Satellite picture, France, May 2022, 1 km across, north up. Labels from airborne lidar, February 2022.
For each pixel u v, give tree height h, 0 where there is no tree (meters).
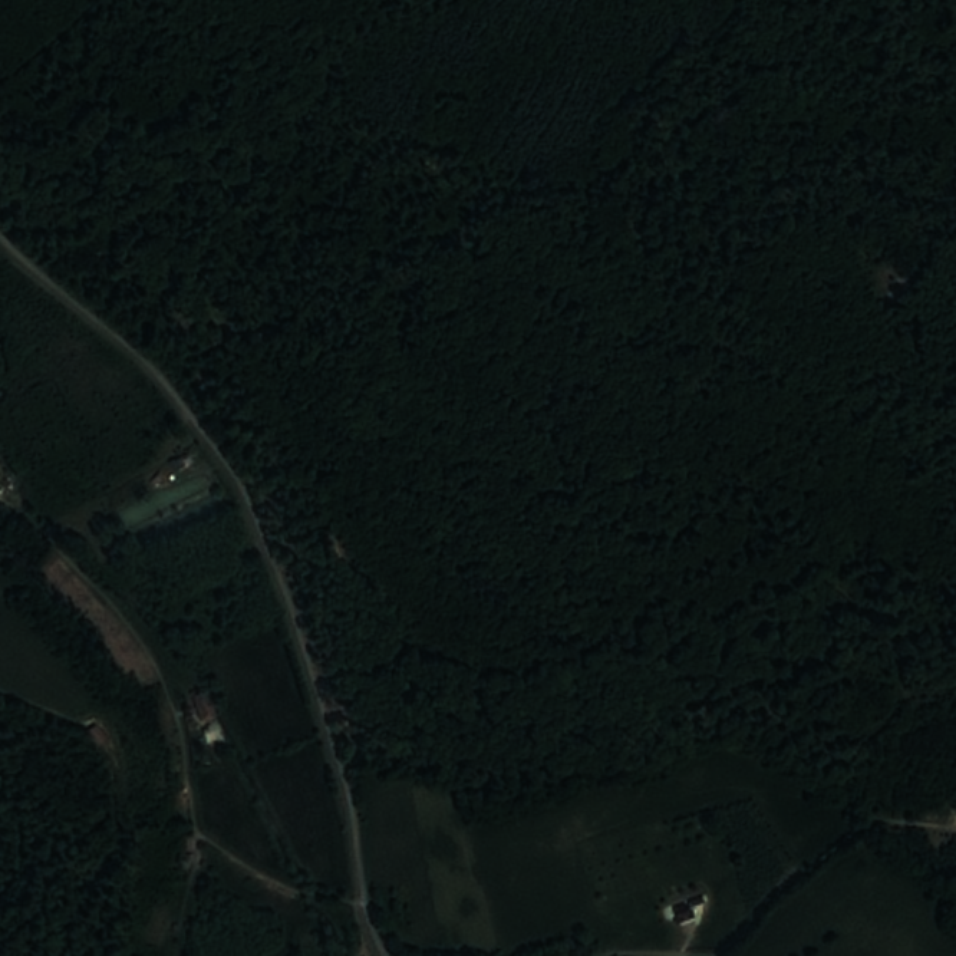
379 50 8
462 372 25
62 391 0
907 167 30
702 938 0
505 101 11
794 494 19
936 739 13
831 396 20
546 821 0
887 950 0
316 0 23
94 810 16
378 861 0
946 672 35
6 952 16
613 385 30
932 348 25
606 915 0
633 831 0
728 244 31
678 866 0
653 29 9
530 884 0
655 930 0
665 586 24
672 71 23
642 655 37
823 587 37
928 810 8
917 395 20
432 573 23
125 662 24
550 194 23
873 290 15
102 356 0
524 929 0
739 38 19
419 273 31
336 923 0
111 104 23
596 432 29
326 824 0
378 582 14
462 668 29
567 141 11
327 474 22
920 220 25
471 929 0
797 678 34
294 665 16
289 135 23
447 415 29
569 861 0
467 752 32
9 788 16
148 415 0
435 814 0
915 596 39
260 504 30
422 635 19
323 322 30
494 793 26
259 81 23
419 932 0
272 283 31
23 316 0
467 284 30
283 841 0
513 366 26
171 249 26
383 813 0
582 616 25
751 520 30
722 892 0
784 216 30
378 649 36
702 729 32
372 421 30
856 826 20
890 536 22
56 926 15
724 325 25
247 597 22
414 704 35
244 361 22
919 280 25
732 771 0
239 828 0
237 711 0
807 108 21
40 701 0
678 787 0
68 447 0
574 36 10
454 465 27
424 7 22
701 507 29
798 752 29
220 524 25
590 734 34
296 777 0
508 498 32
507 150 10
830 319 17
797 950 0
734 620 37
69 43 27
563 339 32
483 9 9
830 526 23
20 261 0
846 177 28
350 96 8
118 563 25
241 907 11
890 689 9
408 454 29
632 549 28
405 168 25
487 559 30
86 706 0
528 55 9
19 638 0
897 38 28
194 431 0
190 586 25
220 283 30
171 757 10
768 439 20
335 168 24
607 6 8
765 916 12
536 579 31
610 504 28
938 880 24
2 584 0
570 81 9
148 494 17
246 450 29
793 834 0
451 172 28
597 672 35
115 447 0
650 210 30
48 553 15
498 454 34
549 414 33
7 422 0
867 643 40
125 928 37
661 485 28
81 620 16
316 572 31
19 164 25
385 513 24
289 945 0
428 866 0
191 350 34
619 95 11
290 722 0
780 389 24
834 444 18
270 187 29
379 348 31
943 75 31
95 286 14
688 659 38
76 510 0
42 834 17
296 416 22
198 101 26
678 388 28
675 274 23
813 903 0
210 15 20
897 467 19
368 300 31
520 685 32
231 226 26
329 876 0
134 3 22
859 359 18
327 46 24
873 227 26
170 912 0
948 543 22
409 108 10
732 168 26
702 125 19
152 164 32
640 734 35
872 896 0
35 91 23
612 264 27
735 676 33
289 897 0
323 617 29
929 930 0
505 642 27
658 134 29
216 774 0
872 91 26
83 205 23
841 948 0
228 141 26
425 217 27
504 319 29
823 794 21
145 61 25
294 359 20
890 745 12
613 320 27
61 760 14
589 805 0
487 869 0
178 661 16
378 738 34
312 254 30
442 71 10
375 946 0
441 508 30
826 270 22
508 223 29
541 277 26
